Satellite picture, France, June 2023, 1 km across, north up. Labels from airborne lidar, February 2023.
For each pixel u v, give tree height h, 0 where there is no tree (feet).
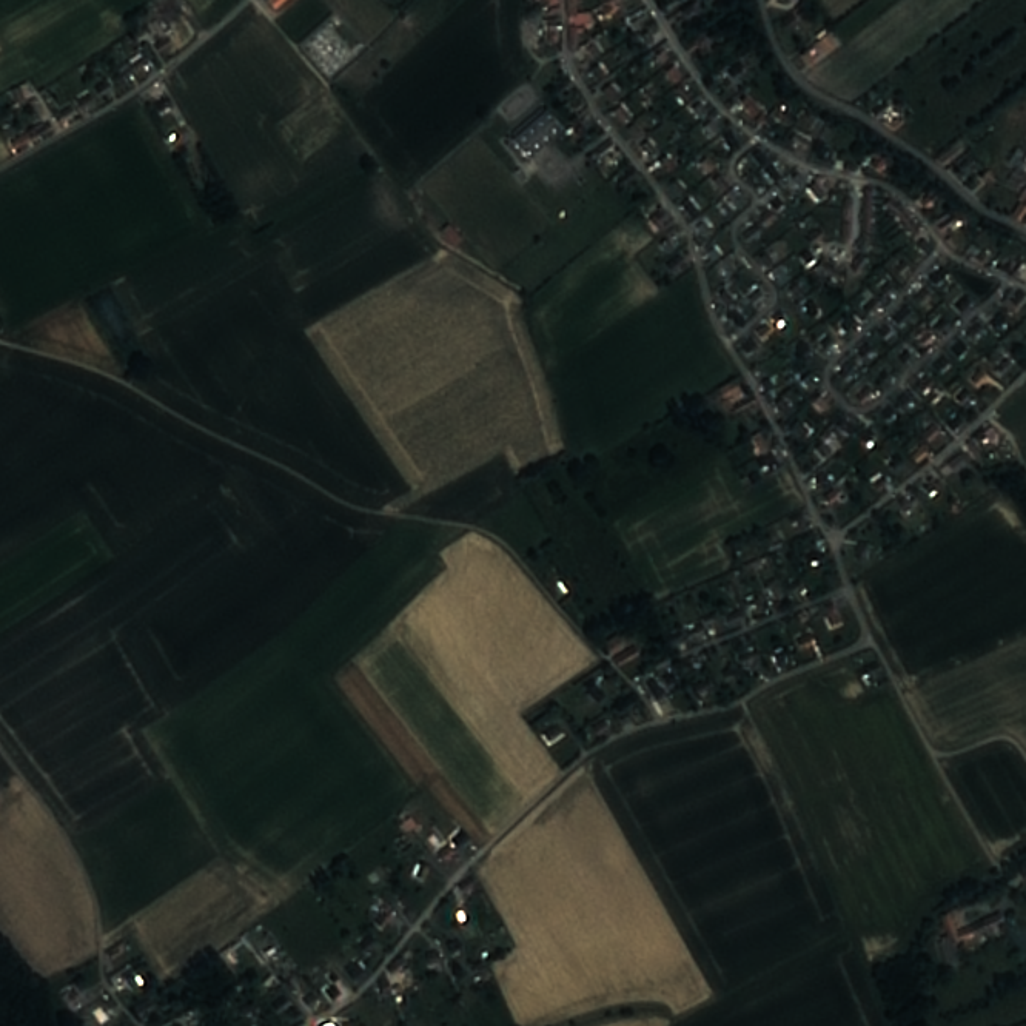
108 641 0
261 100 0
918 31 0
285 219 0
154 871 0
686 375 0
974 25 0
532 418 0
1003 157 0
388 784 0
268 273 0
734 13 26
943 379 0
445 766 0
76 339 0
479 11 0
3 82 0
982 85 0
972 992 0
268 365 0
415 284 0
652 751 0
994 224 26
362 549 0
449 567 0
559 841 0
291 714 0
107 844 0
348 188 0
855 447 0
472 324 0
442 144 0
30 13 0
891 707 0
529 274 0
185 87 0
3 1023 78
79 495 0
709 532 0
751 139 0
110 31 0
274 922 0
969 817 0
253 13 0
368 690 0
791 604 28
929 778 0
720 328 0
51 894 0
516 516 0
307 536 0
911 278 0
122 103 0
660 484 0
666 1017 0
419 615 0
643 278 0
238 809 0
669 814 0
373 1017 0
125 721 0
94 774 0
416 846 0
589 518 0
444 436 0
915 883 0
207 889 0
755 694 0
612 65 0
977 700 0
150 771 0
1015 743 0
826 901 0
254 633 0
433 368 0
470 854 0
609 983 0
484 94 0
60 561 0
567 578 23
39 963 0
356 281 0
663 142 0
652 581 0
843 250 0
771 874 0
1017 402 0
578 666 0
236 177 0
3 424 0
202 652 0
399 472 0
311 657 0
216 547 0
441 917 0
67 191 0
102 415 0
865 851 0
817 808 0
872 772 0
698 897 0
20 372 0
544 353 0
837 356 0
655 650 46
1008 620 0
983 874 0
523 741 0
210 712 0
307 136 0
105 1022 0
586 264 0
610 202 0
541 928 0
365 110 0
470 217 0
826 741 0
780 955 0
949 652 0
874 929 0
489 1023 0
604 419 0
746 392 32
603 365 0
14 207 0
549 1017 0
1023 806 0
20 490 0
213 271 0
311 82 0
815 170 0
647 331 0
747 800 0
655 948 0
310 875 0
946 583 0
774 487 0
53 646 0
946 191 35
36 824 0
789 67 0
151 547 0
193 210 0
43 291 0
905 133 0
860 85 0
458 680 0
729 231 0
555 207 0
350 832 0
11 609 0
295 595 0
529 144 0
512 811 0
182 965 0
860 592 0
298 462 0
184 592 0
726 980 0
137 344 0
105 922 0
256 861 0
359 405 0
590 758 0
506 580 0
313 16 0
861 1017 0
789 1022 0
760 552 0
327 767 0
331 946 0
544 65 0
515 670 0
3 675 0
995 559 0
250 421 0
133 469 0
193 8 0
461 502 0
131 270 0
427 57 0
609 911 0
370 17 0
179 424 0
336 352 0
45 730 0
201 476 0
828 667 0
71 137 0
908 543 23
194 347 0
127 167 0
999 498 0
